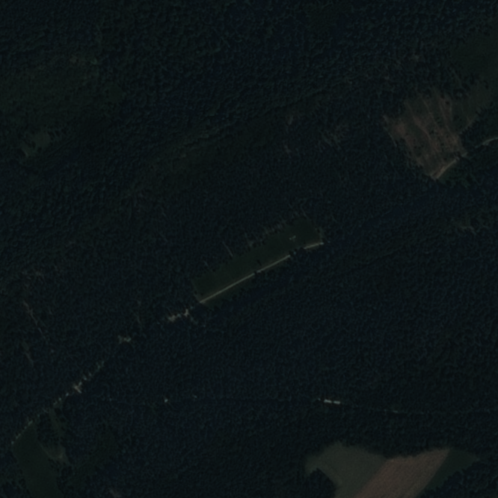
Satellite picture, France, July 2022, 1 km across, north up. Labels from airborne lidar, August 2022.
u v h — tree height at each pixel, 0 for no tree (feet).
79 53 72
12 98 27
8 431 129
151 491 78
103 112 30
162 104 94
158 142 73
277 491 67
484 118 35
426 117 0
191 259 93
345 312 97
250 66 94
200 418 102
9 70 80
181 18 101
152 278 99
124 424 67
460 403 55
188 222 90
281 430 64
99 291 92
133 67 81
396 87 78
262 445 77
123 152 32
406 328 107
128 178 48
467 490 83
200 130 73
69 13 76
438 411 38
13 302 74
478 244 86
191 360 82
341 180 84
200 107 97
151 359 104
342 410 53
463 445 71
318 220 99
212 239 95
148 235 91
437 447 46
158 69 87
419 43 58
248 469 77
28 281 66
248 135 54
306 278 61
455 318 106
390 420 75
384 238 90
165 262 90
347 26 96
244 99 99
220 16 103
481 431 74
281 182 83
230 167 72
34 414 115
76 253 63
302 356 113
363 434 61
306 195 82
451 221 39
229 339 78
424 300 90
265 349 114
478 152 58
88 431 129
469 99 0
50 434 19
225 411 108
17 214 85
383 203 99
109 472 31
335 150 74
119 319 112
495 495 57
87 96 77
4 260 88
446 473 0
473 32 24
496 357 56
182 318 0
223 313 103
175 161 58
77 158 81
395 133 0
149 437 115
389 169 105
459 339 75
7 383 94
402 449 71
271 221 99
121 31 44
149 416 124
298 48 103
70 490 41
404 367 75
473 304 102
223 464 64
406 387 60
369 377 98
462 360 56
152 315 38
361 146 87
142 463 114
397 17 89
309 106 57
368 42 96
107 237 83
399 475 0
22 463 0
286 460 66
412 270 94
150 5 56
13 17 89
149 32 103
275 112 52
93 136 45
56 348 112
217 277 0
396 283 107
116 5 63
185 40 90
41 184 83
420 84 85
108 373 45
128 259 102
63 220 89
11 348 68
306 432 54
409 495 0
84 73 55
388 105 77
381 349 112
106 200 74
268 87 100
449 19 112
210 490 75
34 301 74
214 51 21
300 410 75
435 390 52
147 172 52
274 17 133
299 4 29
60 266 72
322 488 66
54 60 73
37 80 44
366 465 0
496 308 83
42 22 101
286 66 93
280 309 96
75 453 104
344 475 0
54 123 55
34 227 97
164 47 85
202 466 67
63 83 44
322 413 65
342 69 77
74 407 40
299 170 87
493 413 73
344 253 79
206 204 89
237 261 0
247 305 80
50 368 121
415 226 85
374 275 85
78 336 106
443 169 0
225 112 99
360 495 0
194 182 76
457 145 0
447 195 117
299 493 75
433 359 82
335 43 38
